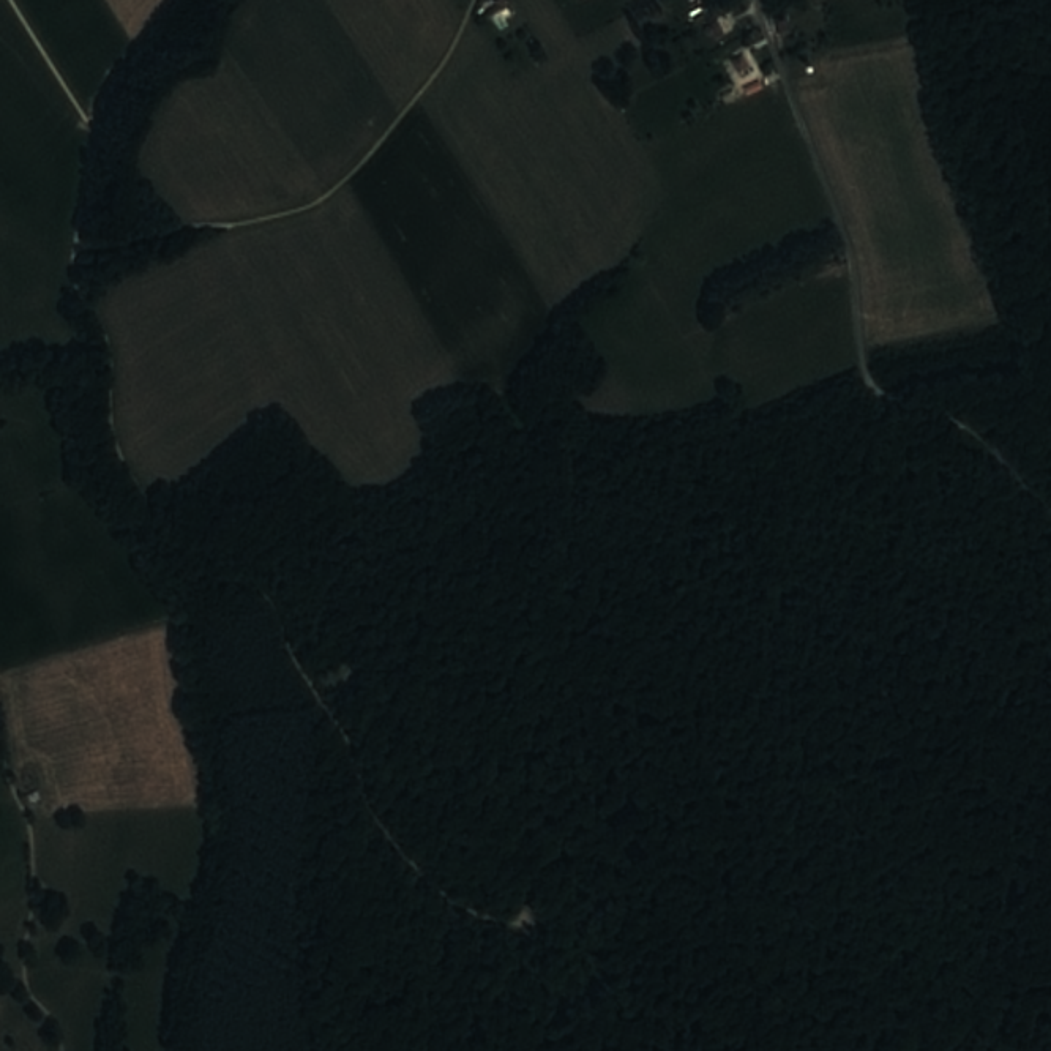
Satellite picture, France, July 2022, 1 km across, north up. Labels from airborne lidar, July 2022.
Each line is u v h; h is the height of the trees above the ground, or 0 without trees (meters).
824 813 17
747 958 25
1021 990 26
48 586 0
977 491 18
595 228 0
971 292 0
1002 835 26
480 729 24
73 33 0
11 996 11
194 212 0
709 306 23
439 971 25
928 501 22
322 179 0
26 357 21
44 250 0
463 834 29
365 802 17
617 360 0
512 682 26
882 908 19
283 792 20
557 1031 24
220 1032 18
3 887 0
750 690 21
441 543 18
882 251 0
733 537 13
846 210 0
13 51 0
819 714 19
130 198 23
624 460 26
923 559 20
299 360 0
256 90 0
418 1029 27
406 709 23
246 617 15
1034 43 21
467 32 0
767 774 18
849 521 16
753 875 22
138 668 0
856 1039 16
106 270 25
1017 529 14
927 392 22
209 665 14
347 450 0
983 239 22
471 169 0
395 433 0
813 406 20
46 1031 14
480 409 19
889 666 24
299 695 13
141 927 19
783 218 0
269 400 0
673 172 0
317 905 24
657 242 0
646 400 0
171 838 0
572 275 0
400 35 0
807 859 23
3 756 12
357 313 0
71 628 0
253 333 0
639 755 21
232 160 0
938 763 27
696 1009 25
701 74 0
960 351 10
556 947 25
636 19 23
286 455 18
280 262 0
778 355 0
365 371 0
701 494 22
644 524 19
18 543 0
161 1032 12
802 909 23
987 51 26
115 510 16
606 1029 29
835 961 23
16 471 0
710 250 0
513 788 27
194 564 24
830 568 20
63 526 0
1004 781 27
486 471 21
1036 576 23
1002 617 17
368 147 0
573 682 26
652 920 24
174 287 0
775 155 0
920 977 15
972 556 23
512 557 26
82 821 16
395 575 19
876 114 0
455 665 27
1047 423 27
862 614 19
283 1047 17
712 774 24
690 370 0
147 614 0
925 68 17
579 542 22
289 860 17
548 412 19
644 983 26
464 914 23
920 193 0
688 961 27
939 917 22
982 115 19
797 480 18
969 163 21
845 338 0
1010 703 25
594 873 25
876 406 18
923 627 22
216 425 0
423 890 24
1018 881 25
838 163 0
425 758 23
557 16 0
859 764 27
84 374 28
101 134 23
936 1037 17
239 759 19
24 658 0
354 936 27
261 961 18
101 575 0
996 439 24
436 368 0
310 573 21
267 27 0
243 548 23
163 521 25
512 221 0
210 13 16
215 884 18
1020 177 22
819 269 0
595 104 0
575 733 28
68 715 0
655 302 0
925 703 25
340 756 13
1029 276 26
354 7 0
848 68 0
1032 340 31
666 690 26
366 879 26
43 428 0
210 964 21
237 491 21
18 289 0
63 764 0
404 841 24
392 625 18
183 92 0
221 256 0
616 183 0
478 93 0
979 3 19
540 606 24
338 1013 27
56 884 0
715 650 16
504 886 27
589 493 19
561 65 0
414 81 0
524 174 0
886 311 0
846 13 0
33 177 0
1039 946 27
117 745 0
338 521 21
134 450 0
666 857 29
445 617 22
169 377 0
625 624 21
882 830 20
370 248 0
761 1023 28
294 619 19
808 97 0
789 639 19
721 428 18
